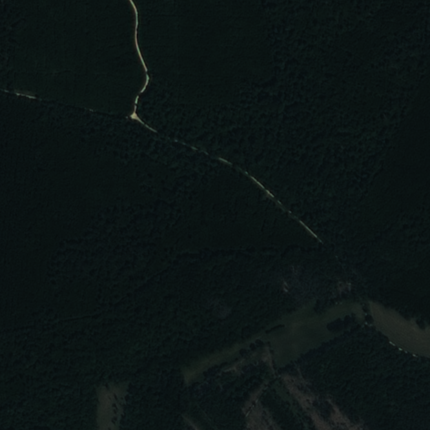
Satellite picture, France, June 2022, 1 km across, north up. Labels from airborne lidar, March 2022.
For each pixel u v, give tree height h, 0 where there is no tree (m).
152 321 17
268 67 9
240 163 19
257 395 0
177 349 23
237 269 17
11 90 15
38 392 17
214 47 7
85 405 17
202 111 9
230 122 24
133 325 22
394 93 14
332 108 13
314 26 6
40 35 6
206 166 22
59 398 24
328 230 26
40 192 11
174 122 24
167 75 7
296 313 0
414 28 17
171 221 26
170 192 24
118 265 20
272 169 22
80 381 22
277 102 27
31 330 16
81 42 6
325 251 24
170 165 15
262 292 21
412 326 0
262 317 17
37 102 12
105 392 0
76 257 21
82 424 16
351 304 0
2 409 20
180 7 7
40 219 12
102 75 5
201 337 26
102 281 12
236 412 20
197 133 18
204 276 23
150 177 25
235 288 24
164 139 20
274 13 28
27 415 18
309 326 0
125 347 20
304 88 14
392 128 20
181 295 21
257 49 9
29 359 19
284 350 0
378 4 17
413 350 0
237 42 6
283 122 29
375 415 16
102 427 0
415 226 17
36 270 6
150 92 22
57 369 24
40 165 13
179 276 19
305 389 0
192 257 23
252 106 26
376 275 19
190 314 9
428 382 17
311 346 0
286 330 0
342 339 20
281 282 19
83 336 21
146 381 22
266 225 8
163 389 25
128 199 10
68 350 20
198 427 0
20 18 24
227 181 7
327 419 21
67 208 8
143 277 19
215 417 21
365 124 9
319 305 19
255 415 0
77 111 19
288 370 15
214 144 26
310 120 20
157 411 24
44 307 14
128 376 21
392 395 17
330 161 19
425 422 23
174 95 20
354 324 16
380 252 25
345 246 25
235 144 20
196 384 8
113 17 8
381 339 25
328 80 13
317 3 16
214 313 8
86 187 10
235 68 10
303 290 24
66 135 8
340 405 19
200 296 18
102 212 21
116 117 17
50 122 7
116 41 6
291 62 25
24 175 0
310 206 22
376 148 25
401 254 19
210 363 0
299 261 20
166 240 9
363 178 18
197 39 7
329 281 16
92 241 21
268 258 18
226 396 14
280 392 0
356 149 21
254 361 0
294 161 19
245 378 7
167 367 19
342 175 21
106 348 19
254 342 0
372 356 11
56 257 15
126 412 18
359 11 18
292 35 17
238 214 18
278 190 25
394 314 0
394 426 18
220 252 25
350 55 21
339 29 17
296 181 20
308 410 0
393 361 15
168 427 20
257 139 26
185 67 6
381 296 23
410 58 23
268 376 12
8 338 19
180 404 20
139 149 24
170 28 6
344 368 23
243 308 16
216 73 7
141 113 15
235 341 15
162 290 21
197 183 20
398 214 16
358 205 21
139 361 19
